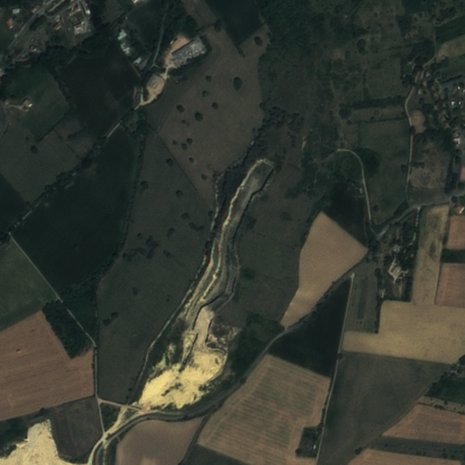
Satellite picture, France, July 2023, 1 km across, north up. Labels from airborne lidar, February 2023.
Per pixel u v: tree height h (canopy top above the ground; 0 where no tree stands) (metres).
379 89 0
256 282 0
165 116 0
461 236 0
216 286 0
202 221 0
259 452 0
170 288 0
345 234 0
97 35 10
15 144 0
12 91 0
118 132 0
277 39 6
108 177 0
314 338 0
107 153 0
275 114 10
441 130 12
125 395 0
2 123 0
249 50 0
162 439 0
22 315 0
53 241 0
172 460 0
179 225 0
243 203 0
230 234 0
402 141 0
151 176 0
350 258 0
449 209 0
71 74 0
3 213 0
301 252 0
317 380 0
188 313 0
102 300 0
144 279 0
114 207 0
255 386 0
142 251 6
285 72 0
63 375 0
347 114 13
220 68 0
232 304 0
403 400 0
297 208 0
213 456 0
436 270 0
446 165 0
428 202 0
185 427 0
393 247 9
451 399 0
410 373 0
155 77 0
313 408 0
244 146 0
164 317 0
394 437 0
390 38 0
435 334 0
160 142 0
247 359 9
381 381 0
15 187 0
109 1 0
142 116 8
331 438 0
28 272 0
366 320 0
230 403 0
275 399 0
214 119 0
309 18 7
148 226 0
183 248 0
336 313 0
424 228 0
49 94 0
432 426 0
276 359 0
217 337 0
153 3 0
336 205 0
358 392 0
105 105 0
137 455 0
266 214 0
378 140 0
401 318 0
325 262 0
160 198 0
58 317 7
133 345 0
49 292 0
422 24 0
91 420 0
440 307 0
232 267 0
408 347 0
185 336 0
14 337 0
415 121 0
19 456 0
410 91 0
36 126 0
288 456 0
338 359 8
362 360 0
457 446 0
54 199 0
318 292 0
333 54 0
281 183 0
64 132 0
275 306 0
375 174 0
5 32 0
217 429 0
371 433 0
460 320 0
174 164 9
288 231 0
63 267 0
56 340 0
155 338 0
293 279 0
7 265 0
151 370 0
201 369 0
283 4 6
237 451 0
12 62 8
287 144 0
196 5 0
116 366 0
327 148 7
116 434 0
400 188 0
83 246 0
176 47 0
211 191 0
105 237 0
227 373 0
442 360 0
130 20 0
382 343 0
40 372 0
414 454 0
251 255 0
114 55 0
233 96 0
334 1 0
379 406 0
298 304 0
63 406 0
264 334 0
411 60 11
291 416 0
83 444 0
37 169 0
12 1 13
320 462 0
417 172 0
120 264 0
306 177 7
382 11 0
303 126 10
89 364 0
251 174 0
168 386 0
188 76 0
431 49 11
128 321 0
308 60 0
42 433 0
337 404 0
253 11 0
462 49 0
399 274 0
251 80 0
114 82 0
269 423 0
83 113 0
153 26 0
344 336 0
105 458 0
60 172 0
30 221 0
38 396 0
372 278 0
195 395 0
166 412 0
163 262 0
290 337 0
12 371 0
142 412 0
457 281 0
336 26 6
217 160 0
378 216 0
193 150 0
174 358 0
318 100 0
